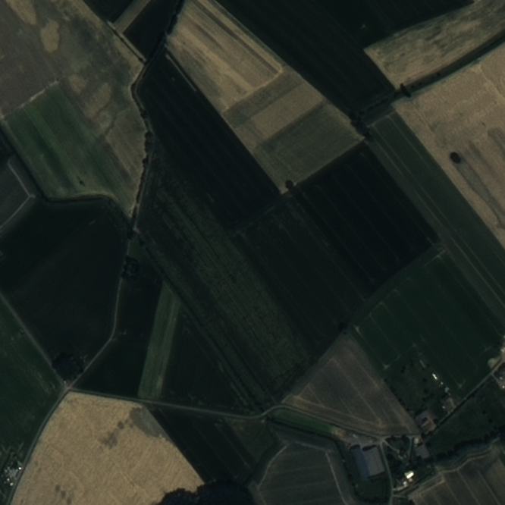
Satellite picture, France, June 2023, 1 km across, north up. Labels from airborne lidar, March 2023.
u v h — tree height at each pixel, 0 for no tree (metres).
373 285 0
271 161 0
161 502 0
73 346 0
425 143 0
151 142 13
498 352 0
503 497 0
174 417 0
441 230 0
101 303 0
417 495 0
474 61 0
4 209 0
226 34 0
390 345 0
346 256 0
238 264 0
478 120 0
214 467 0
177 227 0
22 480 0
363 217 0
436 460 10
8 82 0
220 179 0
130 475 0
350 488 0
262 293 0
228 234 0
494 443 0
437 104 0
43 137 0
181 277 0
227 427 0
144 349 0
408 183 0
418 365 0
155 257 0
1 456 0
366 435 0
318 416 0
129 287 0
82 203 0
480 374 0
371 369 0
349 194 0
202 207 0
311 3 0
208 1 0
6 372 0
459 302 0
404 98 0
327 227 0
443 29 0
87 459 0
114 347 0
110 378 0
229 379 0
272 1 0
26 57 0
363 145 0
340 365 0
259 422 0
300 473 0
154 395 0
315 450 0
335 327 0
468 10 0
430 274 0
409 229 0
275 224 0
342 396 0
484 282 0
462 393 0
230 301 0
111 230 0
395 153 0
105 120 0
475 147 0
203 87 0
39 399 0
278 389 0
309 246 0
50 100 0
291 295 0
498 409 0
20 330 0
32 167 0
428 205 0
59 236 0
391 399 0
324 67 0
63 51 0
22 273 0
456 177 0
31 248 0
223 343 0
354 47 0
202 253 0
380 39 0
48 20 0
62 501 0
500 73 0
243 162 0
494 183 0
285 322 0
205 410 0
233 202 0
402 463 11
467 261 0
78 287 0
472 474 0
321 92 0
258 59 0
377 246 0
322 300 0
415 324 0
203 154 0
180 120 0
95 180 0
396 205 0
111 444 0
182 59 0
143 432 0
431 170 0
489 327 0
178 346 0
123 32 0
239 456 0
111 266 0
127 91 0
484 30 0
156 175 0
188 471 0
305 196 0
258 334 0
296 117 0
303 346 0
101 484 0
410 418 0
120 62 0
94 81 0
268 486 0
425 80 0
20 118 0
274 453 0
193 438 0
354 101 0
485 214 0
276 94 0
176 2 0
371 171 0
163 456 0
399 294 0
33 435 0
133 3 0
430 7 0
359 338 0
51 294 0
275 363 0
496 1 0
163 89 0
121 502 0
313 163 0
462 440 0
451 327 0
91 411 0
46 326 0
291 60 0
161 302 0
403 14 0
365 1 0
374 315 0
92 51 0
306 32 0
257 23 0
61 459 0
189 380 0
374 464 0
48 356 0
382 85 0
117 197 0
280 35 0
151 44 0
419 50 0
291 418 0
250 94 0
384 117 0
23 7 0
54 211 0
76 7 0
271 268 0
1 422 0
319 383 0
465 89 0
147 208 0
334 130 0
